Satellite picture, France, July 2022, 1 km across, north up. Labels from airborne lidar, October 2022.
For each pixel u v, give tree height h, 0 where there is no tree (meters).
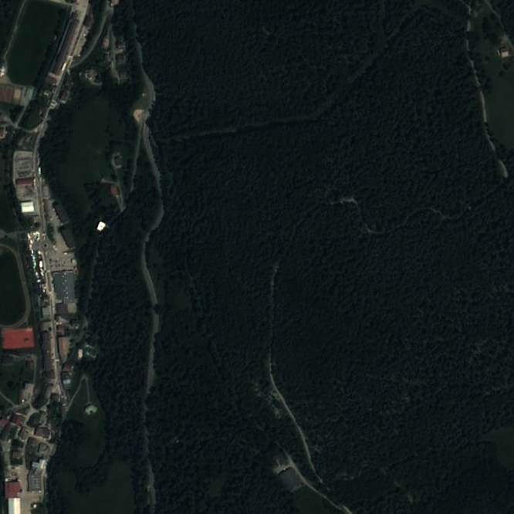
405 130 22
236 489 31
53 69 0
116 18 16
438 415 20
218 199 16
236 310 21
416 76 23
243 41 15
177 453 17
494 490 33
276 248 20
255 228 17
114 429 27
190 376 19
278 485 23
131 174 15
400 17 21
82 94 8
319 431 15
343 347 21
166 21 32
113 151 9
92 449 0
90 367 17
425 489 24
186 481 19
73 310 0
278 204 20
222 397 13
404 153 23
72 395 0
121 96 8
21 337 0
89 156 0
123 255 20
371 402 24
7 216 0
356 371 25
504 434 0
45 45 0
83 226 9
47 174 8
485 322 20
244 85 15
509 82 0
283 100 26
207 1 23
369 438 18
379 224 18
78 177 0
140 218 13
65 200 8
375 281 29
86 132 0
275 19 26
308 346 18
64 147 7
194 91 21
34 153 0
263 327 17
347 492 27
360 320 17
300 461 15
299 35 30
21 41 0
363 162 24
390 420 21
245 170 22
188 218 18
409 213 20
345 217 19
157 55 30
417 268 26
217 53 21
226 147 23
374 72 19
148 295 20
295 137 21
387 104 25
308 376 12
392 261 24
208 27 25
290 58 25
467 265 23
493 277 27
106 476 7
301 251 20
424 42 22
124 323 17
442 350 26
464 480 27
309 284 15
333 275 8
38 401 7
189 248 9
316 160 21
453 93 20
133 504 0
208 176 19
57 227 0
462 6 10
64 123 7
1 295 0
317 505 0
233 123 23
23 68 0
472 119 21
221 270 22
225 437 21
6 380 0
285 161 23
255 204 19
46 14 0
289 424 19
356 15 22
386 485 25
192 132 23
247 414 25
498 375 14
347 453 16
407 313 21
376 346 17
